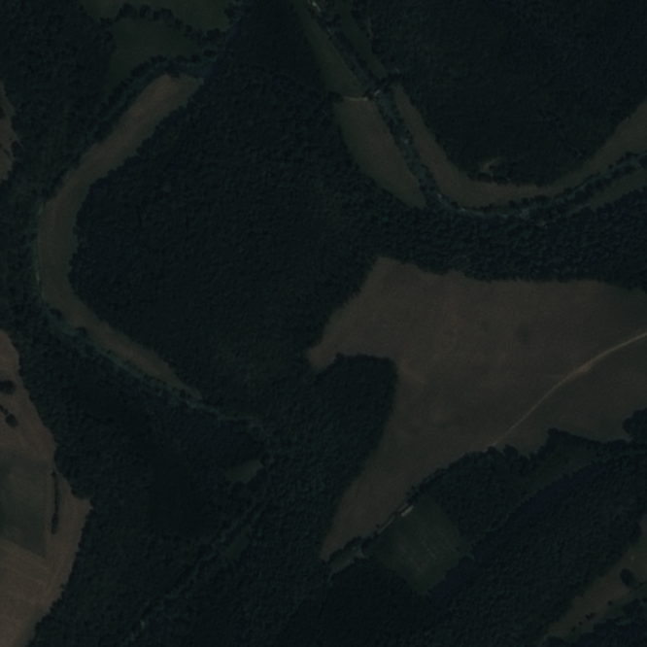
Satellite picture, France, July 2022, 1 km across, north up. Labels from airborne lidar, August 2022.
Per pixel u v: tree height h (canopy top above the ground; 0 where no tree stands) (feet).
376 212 57
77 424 78
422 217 73
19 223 80
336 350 0
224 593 26
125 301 31
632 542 70
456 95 60
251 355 30
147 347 47
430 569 0
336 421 43
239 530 38
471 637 58
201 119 48
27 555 0
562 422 0
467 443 0
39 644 29
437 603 52
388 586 28
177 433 78
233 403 59
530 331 0
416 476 0
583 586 60
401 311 0
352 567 24
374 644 22
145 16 56
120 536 41
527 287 0
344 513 0
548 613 73
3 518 0
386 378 60
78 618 45
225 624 33
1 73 65
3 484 0
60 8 60
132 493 61
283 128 57
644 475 62
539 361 0
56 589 0
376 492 0
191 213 56
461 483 44
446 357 0
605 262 64
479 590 67
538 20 73
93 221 69
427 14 34
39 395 54
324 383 49
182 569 30
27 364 54
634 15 65
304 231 55
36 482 0
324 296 56
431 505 0
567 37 77
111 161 0
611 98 48
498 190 0
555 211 41
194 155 68
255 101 57
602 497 61
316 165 60
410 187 0
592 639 56
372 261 40
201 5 0
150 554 67
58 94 59
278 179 71
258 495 75
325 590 31
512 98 46
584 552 63
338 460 46
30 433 0
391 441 0
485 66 52
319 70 41
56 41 65
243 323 38
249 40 39
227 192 61
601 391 0
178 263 56
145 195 52
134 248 51
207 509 43
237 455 41
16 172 50
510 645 50
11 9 93
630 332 0
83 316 0
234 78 67
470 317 0
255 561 66
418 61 43
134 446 33
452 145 47
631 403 0
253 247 65
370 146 0
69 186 0
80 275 72
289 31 50
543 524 61
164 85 0
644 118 0
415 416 0
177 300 46
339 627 31
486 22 50
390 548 0
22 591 0
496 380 0
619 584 0
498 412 0
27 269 60
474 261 73
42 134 52
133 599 58
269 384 48
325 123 92
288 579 70
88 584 46
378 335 0
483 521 58
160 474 30
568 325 0
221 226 56
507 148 57
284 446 62
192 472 34
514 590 52
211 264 44
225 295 44
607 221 76
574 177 0
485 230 77
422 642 35
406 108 0
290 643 31
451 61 30
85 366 71
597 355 0
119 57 0
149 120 0
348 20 0
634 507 70
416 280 0
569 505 64
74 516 0
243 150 64
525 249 57
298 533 45
